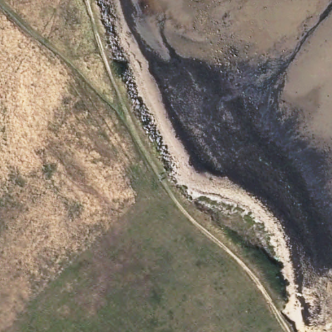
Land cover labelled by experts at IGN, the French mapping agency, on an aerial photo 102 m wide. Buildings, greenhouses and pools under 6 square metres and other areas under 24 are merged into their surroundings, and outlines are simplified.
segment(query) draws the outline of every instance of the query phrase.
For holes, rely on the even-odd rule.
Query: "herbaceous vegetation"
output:
[[[22,14],[10,9],[4,0],[0,0],[0,13],[13,27],[21,31],[22,35],[26,36],[32,29],[30,23],[22,18]]]
[[[171,200],[163,184],[158,183],[156,172],[137,144],[131,128],[128,127],[117,89],[110,88],[114,99],[106,100],[104,93],[97,91],[83,74],[75,82],[67,84],[67,87],[71,95],[80,99],[74,105],[75,113],[92,113],[105,109],[106,114],[114,113],[118,119],[118,123],[113,124],[115,132],[121,137],[128,137],[135,152],[135,157],[128,161],[128,167],[124,170],[124,175],[130,180],[131,189],[134,191],[135,202],[126,214],[110,224],[108,231],[96,237],[91,248],[77,255],[77,262],[74,265],[56,275],[56,280],[48,281],[48,287],[29,301],[25,311],[16,315],[12,327],[6,332],[284,332],[248,272],[245,272],[235,259],[209,237],[197,230],[191,220],[184,217],[182,211]]]

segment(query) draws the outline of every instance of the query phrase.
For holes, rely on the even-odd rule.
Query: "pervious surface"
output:
[[[187,185],[179,185],[172,172],[163,167],[161,152],[154,148],[153,137],[148,136],[147,127],[134,117],[134,109],[139,109],[139,101],[128,99],[126,86],[117,74],[113,73],[106,57],[105,49],[108,45],[101,40],[100,34],[96,34],[96,40],[104,58],[101,65],[104,80],[110,88],[117,89],[128,127],[131,128],[137,144],[156,172],[158,183],[163,184],[171,200],[182,211],[184,217],[191,220],[197,230],[209,237],[235,259],[245,272],[248,272],[284,332],[288,332],[288,324],[262,283],[241,258],[184,209],[184,202],[193,202],[196,197],[188,195]]]

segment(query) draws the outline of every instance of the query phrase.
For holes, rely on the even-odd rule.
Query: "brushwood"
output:
[[[230,237],[233,244],[244,249],[241,258],[262,283],[263,280],[267,281],[281,300],[288,303],[288,280],[283,276],[283,263],[266,252],[257,236],[253,239],[249,235],[239,235],[230,227],[224,233]]]

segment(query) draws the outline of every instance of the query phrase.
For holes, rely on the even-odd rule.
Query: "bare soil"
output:
[[[56,275],[74,265],[77,262],[77,255],[91,248],[96,237],[108,231],[110,224],[126,214],[135,202],[134,191],[131,189],[130,180],[124,175],[124,170],[128,167],[128,161],[135,157],[135,152],[128,137],[121,137],[115,132],[113,124],[118,123],[118,119],[114,113],[106,114],[105,109],[92,113],[75,113],[74,105],[80,99],[71,95],[67,87],[67,84],[75,82],[83,74],[97,91],[104,93],[106,100],[114,99],[110,88],[104,80],[101,65],[104,58],[96,40],[96,34],[100,34],[101,40],[108,45],[105,49],[106,57],[113,73],[117,74],[126,86],[128,99],[139,101],[139,109],[134,109],[134,117],[147,127],[148,136],[153,137],[154,148],[161,152],[163,167],[172,172],[179,185],[187,185],[188,195],[196,197],[193,202],[184,202],[184,209],[241,258],[244,249],[233,244],[230,237],[224,233],[230,227],[239,235],[249,235],[253,239],[257,236],[266,252],[283,263],[283,276],[288,280],[288,303],[281,300],[267,281],[263,280],[262,283],[288,324],[288,332],[332,332],[332,0],[4,0],[10,9],[22,14],[22,18],[30,23],[32,29],[26,36],[22,35],[21,31],[13,27],[0,13],[0,332],[6,332],[12,327],[16,315],[25,311],[29,301],[48,287],[48,281],[56,280]]]

